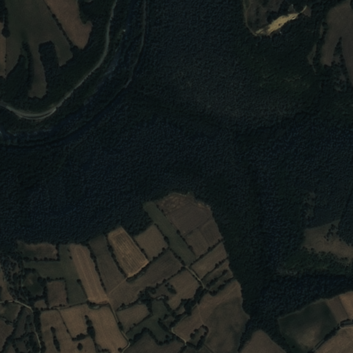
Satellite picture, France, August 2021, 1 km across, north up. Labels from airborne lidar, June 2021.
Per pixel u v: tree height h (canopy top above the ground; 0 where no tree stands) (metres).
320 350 0
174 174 19
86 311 0
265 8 0
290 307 12
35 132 0
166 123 17
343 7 0
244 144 27
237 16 13
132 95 19
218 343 0
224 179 15
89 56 18
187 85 11
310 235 0
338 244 0
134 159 17
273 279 26
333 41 0
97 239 0
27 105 14
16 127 19
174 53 11
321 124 22
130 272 0
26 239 19
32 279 0
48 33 0
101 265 0
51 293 0
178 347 0
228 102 8
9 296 0
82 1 13
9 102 12
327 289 20
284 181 13
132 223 15
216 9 17
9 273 13
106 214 21
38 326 12
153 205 0
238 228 10
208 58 12
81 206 19
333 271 13
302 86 9
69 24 0
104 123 9
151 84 17
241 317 0
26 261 12
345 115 10
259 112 10
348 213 9
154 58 19
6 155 19
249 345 0
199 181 17
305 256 8
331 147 19
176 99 22
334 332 11
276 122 15
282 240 13
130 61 11
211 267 0
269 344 0
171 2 14
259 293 26
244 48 7
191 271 0
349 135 17
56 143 16
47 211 20
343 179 19
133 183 18
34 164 18
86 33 0
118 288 0
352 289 14
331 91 9
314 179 14
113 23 21
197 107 16
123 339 0
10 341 14
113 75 11
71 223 22
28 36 0
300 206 12
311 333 0
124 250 0
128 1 27
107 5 13
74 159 12
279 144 15
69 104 24
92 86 18
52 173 12
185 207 0
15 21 0
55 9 0
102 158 14
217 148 16
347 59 0
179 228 0
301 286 20
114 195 21
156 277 0
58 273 0
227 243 12
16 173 16
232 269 13
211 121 12
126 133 15
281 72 10
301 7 11
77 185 12
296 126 19
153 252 0
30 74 8
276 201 14
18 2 0
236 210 14
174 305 0
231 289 0
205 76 11
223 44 16
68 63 12
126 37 22
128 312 0
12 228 18
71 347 0
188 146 23
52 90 20
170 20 10
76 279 0
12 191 10
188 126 7
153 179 15
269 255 7
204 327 9
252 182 31
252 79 11
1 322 0
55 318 0
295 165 19
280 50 14
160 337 0
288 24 8
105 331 0
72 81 22
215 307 0
